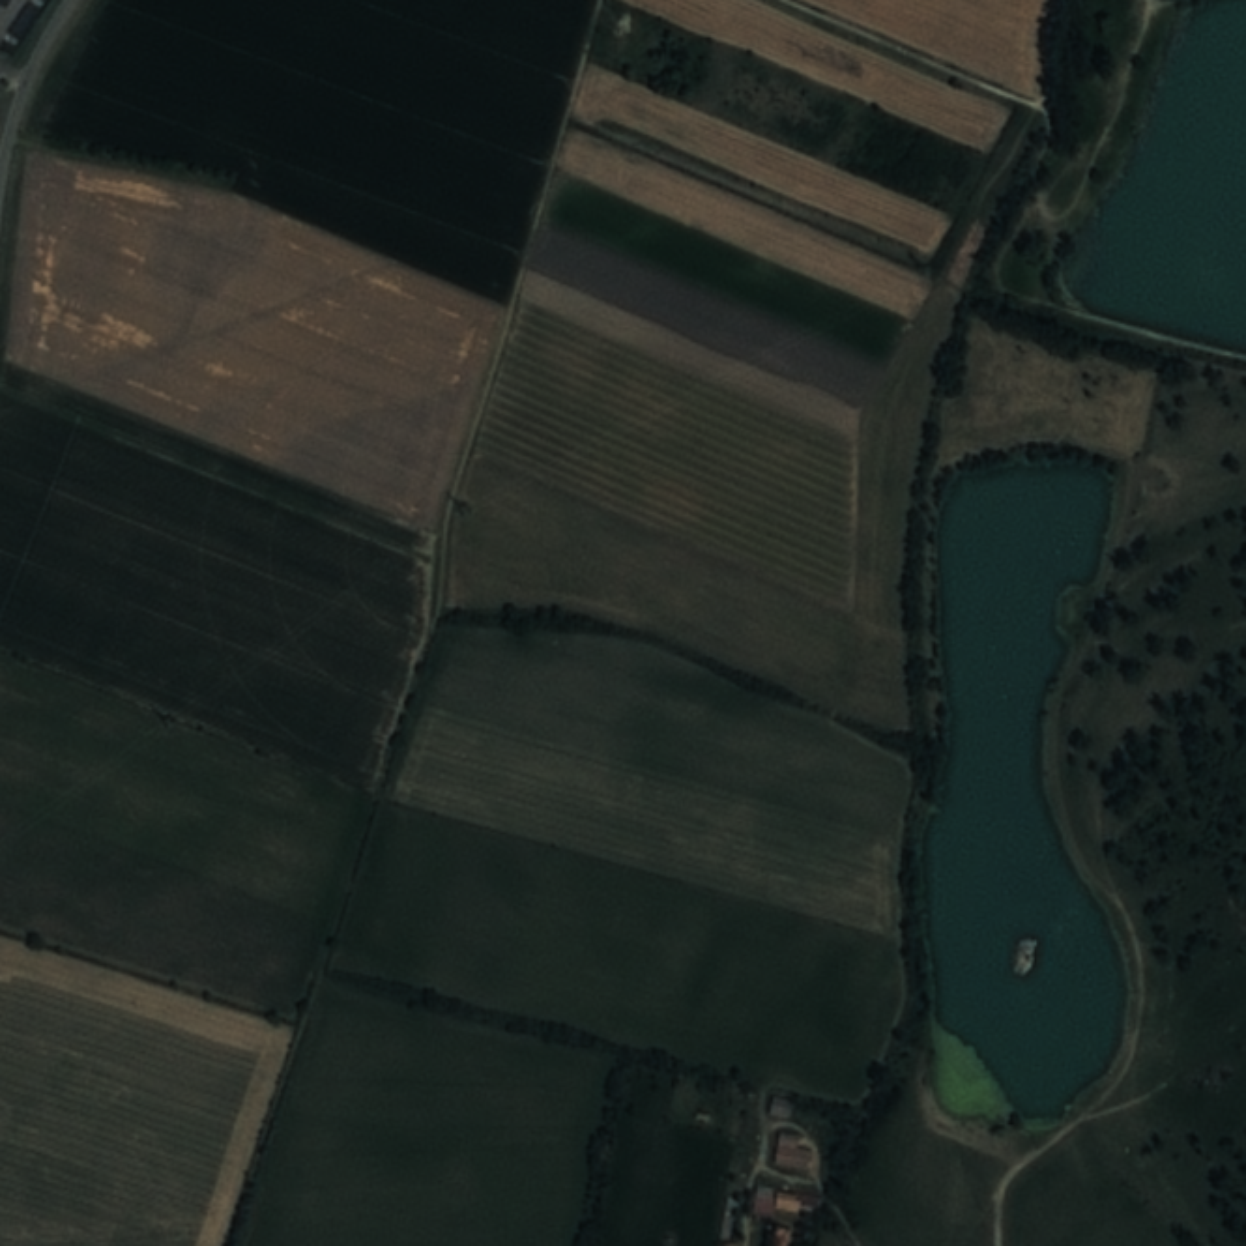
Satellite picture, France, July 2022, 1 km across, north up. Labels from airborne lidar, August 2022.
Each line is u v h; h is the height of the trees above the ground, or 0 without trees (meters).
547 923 0
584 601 0
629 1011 0
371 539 0
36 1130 0
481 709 0
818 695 0
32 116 0
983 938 0
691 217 0
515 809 0
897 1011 0
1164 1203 0
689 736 0
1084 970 0
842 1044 0
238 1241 12
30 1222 0
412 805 0
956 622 0
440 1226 0
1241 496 0
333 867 0
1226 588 0
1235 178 0
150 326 0
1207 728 14
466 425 0
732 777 0
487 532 0
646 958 0
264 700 0
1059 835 0
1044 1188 0
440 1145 0
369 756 0
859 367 0
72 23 0
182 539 0
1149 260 0
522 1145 0
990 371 0
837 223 0
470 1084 0
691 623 0
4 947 0
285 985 0
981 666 0
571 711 0
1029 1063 0
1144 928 0
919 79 0
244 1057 0
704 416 0
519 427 0
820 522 0
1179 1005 0
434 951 0
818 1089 0
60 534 0
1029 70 0
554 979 0
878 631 0
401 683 0
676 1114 0
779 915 0
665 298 0
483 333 0
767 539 0
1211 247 0
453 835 0
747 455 0
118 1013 0
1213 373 14
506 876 0
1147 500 0
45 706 0
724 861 0
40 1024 0
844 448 0
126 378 0
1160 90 0
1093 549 0
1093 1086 0
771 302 0
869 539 0
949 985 0
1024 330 20
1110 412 0
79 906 0
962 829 0
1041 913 0
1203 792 18
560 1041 9
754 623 0
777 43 0
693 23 0
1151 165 0
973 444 0
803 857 0
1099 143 0
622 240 0
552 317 0
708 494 0
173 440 0
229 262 0
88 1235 0
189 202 0
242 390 0
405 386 0
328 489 0
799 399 0
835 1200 15
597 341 0
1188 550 0
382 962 0
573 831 0
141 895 0
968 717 0
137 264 0
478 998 0
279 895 0
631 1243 0
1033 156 6
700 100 0
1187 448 0
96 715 0
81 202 0
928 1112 0
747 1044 0
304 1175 0
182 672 0
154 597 0
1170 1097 0
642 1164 0
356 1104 0
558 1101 0
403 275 0
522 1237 0
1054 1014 0
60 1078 0
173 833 0
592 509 0
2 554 0
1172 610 22
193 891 0
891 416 0
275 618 0
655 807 0
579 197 0
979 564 0
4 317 0
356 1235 0
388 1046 0
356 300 0
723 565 0
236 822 0
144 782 0
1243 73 0
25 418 0
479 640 0
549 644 0
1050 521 0
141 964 0
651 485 0
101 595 0
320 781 0
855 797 0
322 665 0
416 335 0
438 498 0
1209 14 0
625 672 0
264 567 0
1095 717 0
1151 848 12
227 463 0
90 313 0
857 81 0
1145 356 18
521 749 0
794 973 0
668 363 0
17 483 0
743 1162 0
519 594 0
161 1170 0
